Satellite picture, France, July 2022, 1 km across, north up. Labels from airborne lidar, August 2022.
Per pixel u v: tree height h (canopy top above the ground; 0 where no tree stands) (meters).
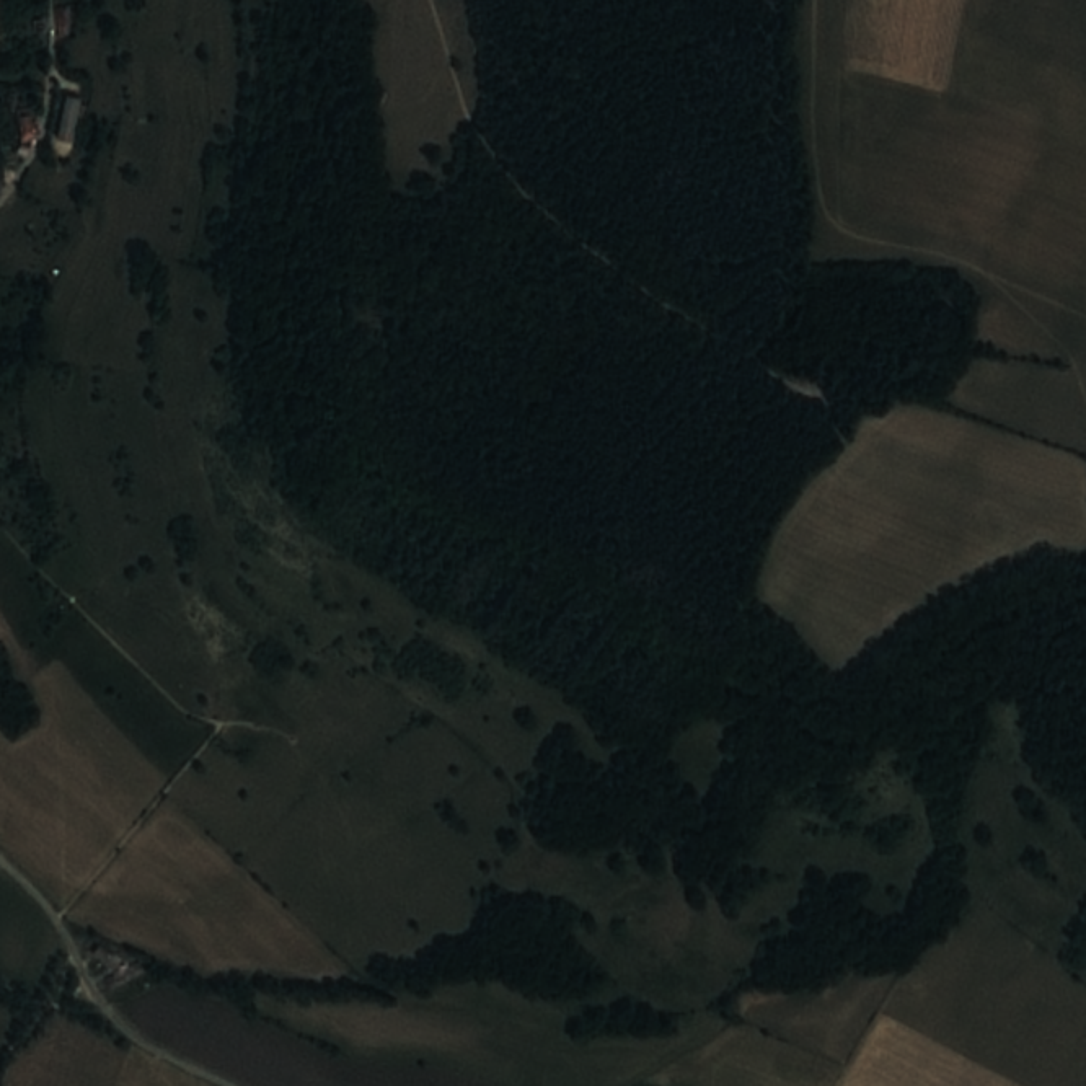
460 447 17
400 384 13
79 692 0
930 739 18
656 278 14
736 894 21
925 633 21
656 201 16
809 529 0
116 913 0
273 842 0
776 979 22
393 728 0
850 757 19
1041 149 0
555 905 16
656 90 17
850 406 18
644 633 15
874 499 0
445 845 0
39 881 0
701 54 24
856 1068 0
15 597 0
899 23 0
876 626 0
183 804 0
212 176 7
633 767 21
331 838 0
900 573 0
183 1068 0
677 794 20
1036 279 0
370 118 22
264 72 9
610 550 21
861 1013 0
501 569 12
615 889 0
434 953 19
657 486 21
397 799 0
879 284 10
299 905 0
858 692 21
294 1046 0
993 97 0
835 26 0
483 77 14
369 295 9
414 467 16
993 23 0
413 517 11
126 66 9
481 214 19
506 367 17
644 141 16
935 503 0
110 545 0
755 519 18
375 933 0
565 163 14
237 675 0
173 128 0
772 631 24
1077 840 0
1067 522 0
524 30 14
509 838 19
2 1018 0
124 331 0
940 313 25
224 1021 0
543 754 15
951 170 0
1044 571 21
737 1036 0
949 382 18
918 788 11
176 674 0
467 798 0
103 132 8
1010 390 0
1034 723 18
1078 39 0
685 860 23
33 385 0
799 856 0
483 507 11
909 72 0
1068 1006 0
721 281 20
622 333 17
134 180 9
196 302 0
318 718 0
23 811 0
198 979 16
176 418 0
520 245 11
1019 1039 0
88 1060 0
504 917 22
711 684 20
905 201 0
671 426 22
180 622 0
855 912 20
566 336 9
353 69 22
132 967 0
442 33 0
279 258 19
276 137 14
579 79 15
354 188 24
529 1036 0
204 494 0
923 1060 0
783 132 25
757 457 19
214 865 0
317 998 15
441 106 0
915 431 0
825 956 25
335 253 23
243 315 20
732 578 21
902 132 0
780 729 24
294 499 13
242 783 0
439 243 17
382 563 7
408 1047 0
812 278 11
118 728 0
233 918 0
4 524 8
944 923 20
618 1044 0
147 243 13
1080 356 0
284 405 9
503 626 20
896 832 8
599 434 19
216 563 0
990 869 0
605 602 15
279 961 0
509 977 23
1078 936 16
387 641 11
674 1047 0
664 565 20
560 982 17
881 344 6
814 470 15
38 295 5
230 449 10
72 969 13
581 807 22
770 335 6
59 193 0
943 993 0
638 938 0
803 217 24
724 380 22
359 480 8
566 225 13
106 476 0
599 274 20
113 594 0
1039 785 12
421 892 0
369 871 0
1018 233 0
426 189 16
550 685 7
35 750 0
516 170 14
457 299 14
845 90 0
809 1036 0
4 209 0
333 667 0
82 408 0
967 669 20
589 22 14
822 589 0
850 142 0
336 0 21
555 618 20
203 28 0
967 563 0
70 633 0
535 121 21
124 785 0
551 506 20
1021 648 24
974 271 0
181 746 0
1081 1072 0
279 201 23
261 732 0
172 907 0
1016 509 0
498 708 0
